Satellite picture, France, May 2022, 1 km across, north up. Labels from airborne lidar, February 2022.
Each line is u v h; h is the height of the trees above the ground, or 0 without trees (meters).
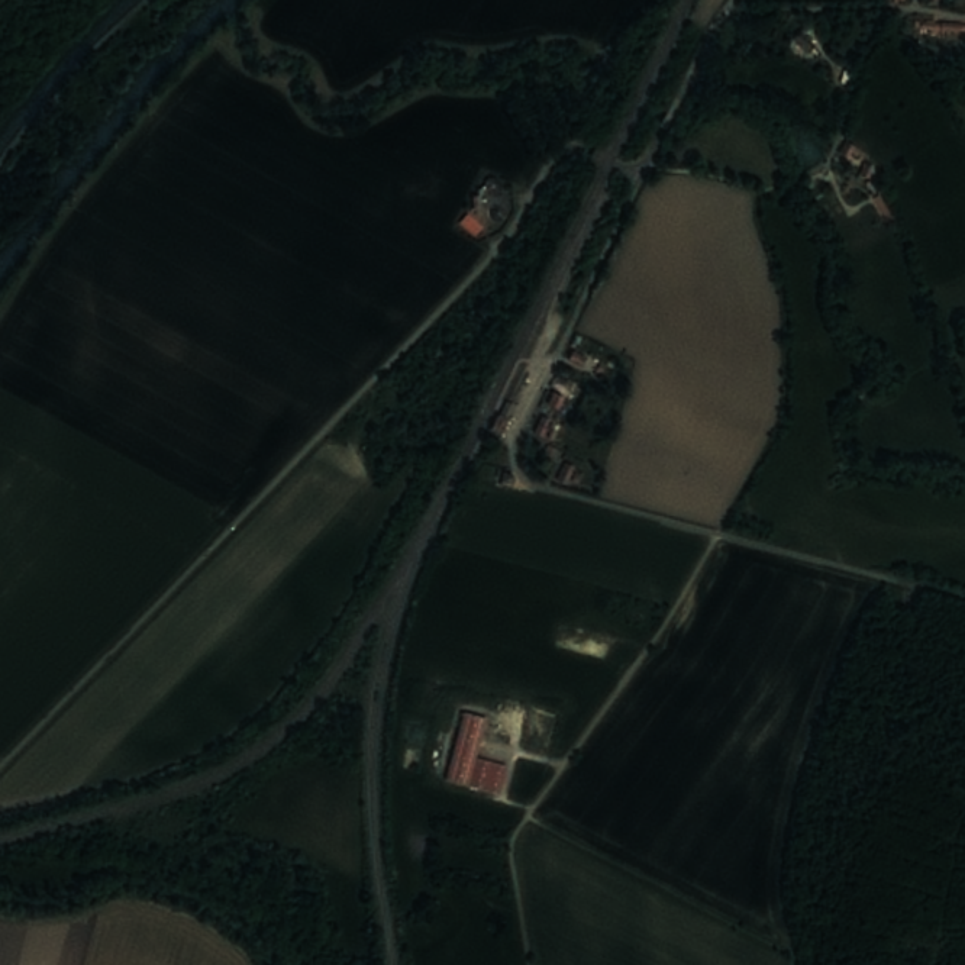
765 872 0
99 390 0
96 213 0
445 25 0
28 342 0
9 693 0
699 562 0
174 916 0
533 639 0
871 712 22
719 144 0
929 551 0
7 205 31
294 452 0
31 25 17
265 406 0
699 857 0
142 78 0
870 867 9
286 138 0
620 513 0
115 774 0
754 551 0
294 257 0
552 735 0
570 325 0
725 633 0
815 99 0
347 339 0
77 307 0
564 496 0
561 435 0
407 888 0
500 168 0
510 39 0
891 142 0
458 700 0
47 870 0
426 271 0
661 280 0
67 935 0
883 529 0
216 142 0
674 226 0
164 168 0
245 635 0
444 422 23
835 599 0
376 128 0
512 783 0
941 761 23
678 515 0
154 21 8
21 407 0
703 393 0
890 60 0
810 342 0
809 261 0
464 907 0
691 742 0
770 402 0
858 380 24
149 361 0
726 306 0
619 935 0
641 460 0
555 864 0
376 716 0
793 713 0
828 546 0
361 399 0
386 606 0
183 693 0
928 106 0
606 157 0
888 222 18
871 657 20
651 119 17
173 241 0
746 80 0
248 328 0
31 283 0
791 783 0
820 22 10
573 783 0
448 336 16
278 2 0
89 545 0
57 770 0
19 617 0
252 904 17
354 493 0
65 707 0
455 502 12
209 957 0
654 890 0
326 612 0
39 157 7
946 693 19
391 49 0
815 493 0
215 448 0
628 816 0
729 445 0
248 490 0
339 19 0
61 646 0
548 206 7
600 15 0
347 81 0
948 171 0
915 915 6
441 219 0
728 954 0
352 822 0
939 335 18
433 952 0
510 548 0
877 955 7
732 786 0
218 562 0
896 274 0
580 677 0
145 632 0
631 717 0
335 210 0
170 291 0
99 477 0
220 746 12
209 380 0
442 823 13
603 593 0
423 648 0
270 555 0
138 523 0
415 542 0
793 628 0
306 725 8
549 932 0
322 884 10
